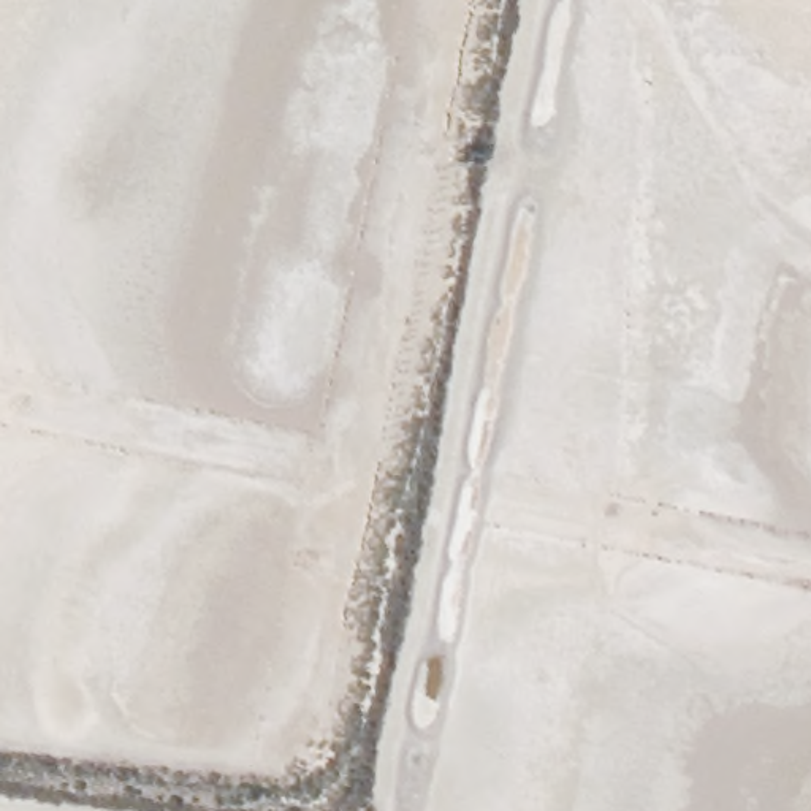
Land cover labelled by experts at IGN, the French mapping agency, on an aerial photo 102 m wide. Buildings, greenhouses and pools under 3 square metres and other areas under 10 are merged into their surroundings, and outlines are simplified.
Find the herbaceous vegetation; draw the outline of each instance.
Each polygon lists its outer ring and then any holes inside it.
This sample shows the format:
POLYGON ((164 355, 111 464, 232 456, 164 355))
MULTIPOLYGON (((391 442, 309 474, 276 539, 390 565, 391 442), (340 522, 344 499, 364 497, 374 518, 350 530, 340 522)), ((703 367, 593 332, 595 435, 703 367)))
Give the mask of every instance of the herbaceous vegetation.
POLYGON ((386 488, 393 488, 396 469, 374 478, 361 558, 355 564, 348 605, 342 611, 345 627, 352 627, 361 643, 361 653, 352 662, 355 681, 348 684, 348 697, 336 706, 339 719, 345 719, 348 706, 371 710, 377 694, 377 675, 383 662, 383 627, 396 580, 396 542, 402 535, 406 516, 402 507, 390 507, 383 501, 386 488))
POLYGON ((95 776, 86 782, 86 792, 120 795, 124 789, 139 789, 146 798, 171 798, 171 811, 184 811, 184 805, 215 808, 206 779, 209 773, 139 767, 136 779, 95 776))
POLYGON ((513 35, 520 25, 520 0, 469 0, 469 19, 456 54, 456 89, 444 117, 444 136, 459 149, 463 162, 469 165, 466 215, 453 219, 453 234, 463 234, 463 247, 459 266, 444 269, 444 279, 453 279, 453 288, 437 301, 431 314, 434 329, 421 345, 425 380, 415 386, 412 406, 406 406, 409 421, 428 418, 431 383, 440 364, 440 352, 453 355, 469 285, 475 231, 482 219, 482 184, 488 174, 488 158, 494 152, 501 86, 510 63, 513 35))
POLYGON ((317 811, 329 805, 329 798, 323 795, 279 795, 244 801, 247 811, 317 811))

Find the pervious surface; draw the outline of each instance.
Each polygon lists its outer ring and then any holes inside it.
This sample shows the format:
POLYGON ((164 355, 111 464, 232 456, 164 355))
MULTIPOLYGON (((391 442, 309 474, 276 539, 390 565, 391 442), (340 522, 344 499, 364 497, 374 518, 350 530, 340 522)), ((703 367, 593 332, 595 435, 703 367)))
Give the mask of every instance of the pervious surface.
POLYGON ((463 234, 453 234, 453 219, 466 215, 469 165, 463 162, 459 149, 444 136, 444 117, 456 89, 456 54, 469 19, 469 0, 0 0, 0 751, 139 767, 209 773, 269 776, 276 782, 304 779, 329 763, 333 741, 342 738, 345 719, 339 719, 336 706, 348 697, 348 684, 355 681, 352 662, 361 653, 361 643, 352 627, 345 627, 342 611, 348 605, 355 564, 361 558, 374 478, 396 469, 402 466, 402 440, 409 421, 406 406, 412 406, 415 386, 425 380, 421 345, 434 329, 431 314, 437 301, 453 288, 453 279, 444 279, 444 269, 459 266, 463 247, 463 234))
POLYGON ((108 811, 0 795, 0 811, 108 811))
POLYGON ((482 184, 482 219, 475 231, 469 285, 453 355, 434 488, 421 526, 421 551, 412 580, 412 605, 377 741, 377 811, 811 811, 811 0, 520 0, 520 25, 513 35, 510 63, 501 86, 494 152, 488 158, 488 174, 482 184))

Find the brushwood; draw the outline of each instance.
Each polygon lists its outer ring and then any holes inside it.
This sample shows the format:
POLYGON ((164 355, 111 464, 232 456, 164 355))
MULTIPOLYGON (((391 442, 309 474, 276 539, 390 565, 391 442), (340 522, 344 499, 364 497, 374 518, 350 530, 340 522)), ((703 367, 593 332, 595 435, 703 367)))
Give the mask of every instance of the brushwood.
POLYGON ((139 767, 0 751, 0 795, 108 811, 171 811, 171 798, 146 798, 139 789, 124 789, 120 795, 86 792, 86 782, 95 776, 136 779, 139 767))
POLYGON ((386 488, 383 501, 390 507, 402 507, 406 516, 402 535, 396 542, 396 580, 383 627, 383 662, 377 675, 377 694, 371 710, 348 706, 345 719, 342 738, 333 741, 329 763, 304 779, 276 782, 269 776, 209 773, 206 779, 215 808, 184 805, 184 811, 247 811, 244 801, 279 795, 323 795, 329 798, 329 805, 317 811, 377 811, 377 741, 412 605, 412 580, 421 551, 421 526, 434 488, 453 355, 440 352, 440 364, 431 383, 428 418, 409 421, 402 440, 402 466, 396 469, 393 488, 386 488))

